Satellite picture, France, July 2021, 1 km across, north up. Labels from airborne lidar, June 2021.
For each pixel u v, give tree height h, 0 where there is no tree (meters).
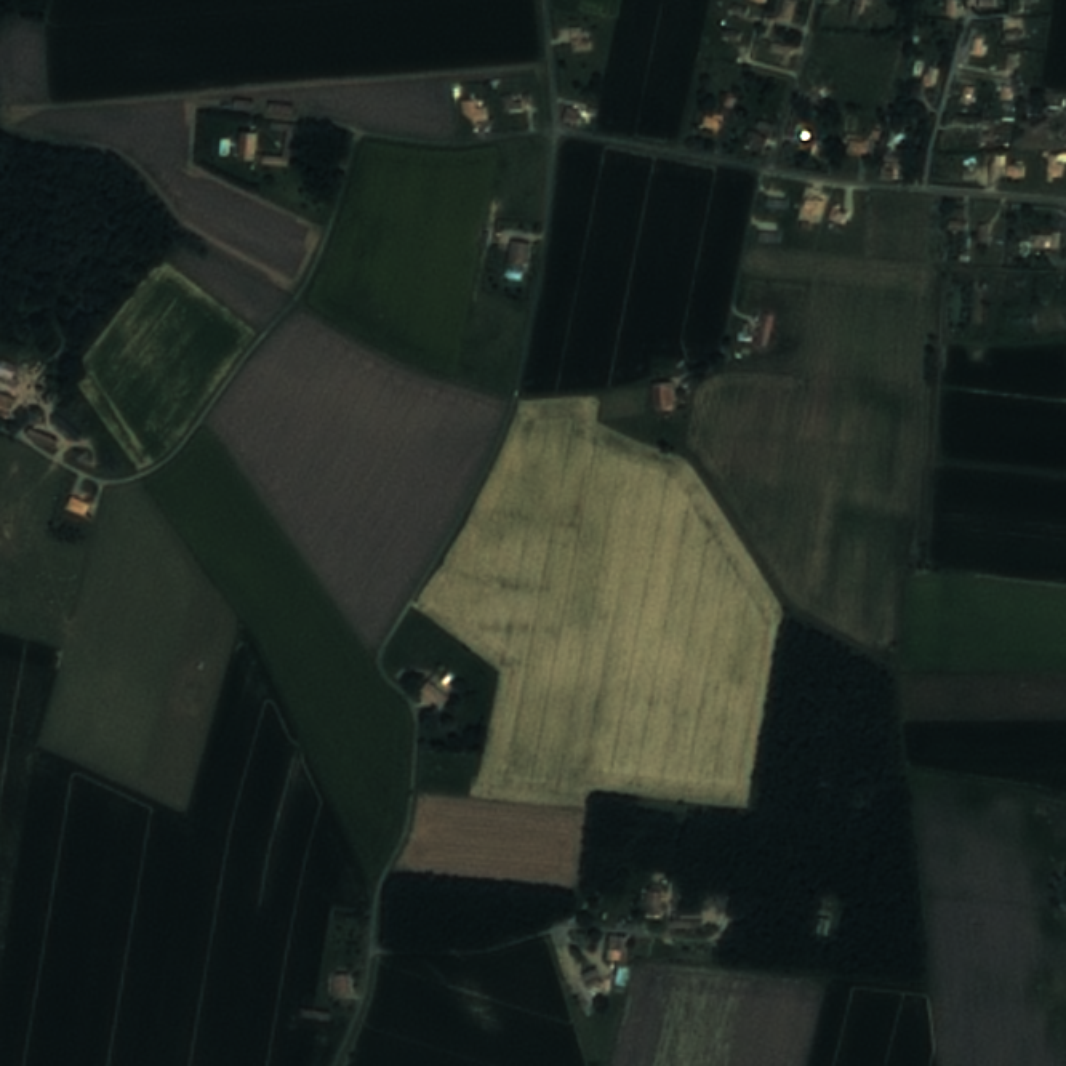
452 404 0
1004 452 0
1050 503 0
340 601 0
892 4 13
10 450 0
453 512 0
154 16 0
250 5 0
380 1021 0
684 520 0
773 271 0
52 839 0
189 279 0
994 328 0
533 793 0
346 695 0
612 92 0
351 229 0
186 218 0
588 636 0
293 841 0
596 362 0
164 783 0
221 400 0
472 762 0
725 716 0
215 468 0
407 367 0
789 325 0
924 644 0
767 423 0
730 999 0
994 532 0
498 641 0
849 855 18
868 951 17
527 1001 0
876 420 0
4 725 0
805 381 0
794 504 0
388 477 0
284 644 0
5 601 0
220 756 0
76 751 0
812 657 17
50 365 14
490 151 0
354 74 0
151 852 0
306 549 0
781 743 18
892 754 15
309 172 15
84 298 6
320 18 0
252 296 0
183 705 0
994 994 0
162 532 0
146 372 0
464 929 17
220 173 8
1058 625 0
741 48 0
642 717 0
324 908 0
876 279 0
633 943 13
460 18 0
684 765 0
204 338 0
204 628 0
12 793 0
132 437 0
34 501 0
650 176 0
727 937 10
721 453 0
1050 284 0
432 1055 0
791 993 0
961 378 0
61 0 0
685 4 0
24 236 19
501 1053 0
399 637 0
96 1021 0
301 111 0
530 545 0
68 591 0
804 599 0
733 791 0
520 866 0
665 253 0
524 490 0
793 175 0
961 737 0
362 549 0
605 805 14
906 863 17
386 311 0
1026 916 0
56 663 0
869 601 0
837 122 17
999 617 0
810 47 0
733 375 0
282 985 0
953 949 0
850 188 0
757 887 18
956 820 0
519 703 0
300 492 0
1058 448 0
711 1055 0
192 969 0
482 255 0
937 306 0
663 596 0
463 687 10
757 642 0
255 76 0
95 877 0
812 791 12
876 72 0
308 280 0
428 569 0
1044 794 0
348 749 0
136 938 0
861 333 0
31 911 0
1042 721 0
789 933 18
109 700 0
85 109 0
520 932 15
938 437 0
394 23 0
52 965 0
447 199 0
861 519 0
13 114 0
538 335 0
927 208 0
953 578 0
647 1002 0
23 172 22
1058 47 0
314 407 0
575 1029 0
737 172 0
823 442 0
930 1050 0
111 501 0
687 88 0
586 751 0
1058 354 0
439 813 0
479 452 0
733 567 0
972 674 0
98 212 18
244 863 0
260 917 0
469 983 0
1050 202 0
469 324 0
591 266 0
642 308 0
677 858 13
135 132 0
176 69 0
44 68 0
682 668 0
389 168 0
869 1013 0
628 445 0
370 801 0
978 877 0
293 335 0
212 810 0
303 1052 0
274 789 0
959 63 0
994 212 0
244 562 0
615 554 0
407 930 16
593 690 0
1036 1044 0
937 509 0
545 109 0
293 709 0
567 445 0
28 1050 0
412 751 0
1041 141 0
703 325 0
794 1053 0
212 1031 0
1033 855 0
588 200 0
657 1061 0
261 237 0
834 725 17
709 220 0
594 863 13
